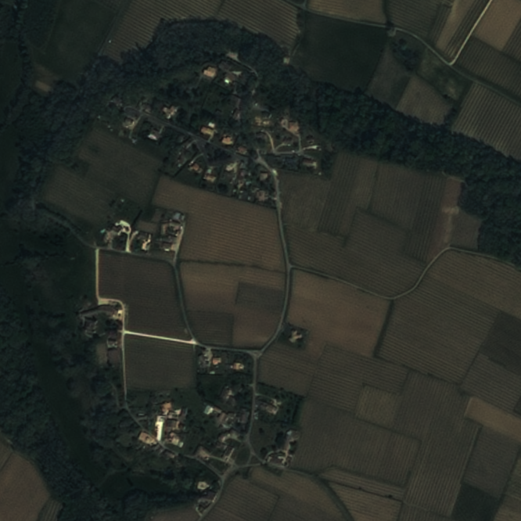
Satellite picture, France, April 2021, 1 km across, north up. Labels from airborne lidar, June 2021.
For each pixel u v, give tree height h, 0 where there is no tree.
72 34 0
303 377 0
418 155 18
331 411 0
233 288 0
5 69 0
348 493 0
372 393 0
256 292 0
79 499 19
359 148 19
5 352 17
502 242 21
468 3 0
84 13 0
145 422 6
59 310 0
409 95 0
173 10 0
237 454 0
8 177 0
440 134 18
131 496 14
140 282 0
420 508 0
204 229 0
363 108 22
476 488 0
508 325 0
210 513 0
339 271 0
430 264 0
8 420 18
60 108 19
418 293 0
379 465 0
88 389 0
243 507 0
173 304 0
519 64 0
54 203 0
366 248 0
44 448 21
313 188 0
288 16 0
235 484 0
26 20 14
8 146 0
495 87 0
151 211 0
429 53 0
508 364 0
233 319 0
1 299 18
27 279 8
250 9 0
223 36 11
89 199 0
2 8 9
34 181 18
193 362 0
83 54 0
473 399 0
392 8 0
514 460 0
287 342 0
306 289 0
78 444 0
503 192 17
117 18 0
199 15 0
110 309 0
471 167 18
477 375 0
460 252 0
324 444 0
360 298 0
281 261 0
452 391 0
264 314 0
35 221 15
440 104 0
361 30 0
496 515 0
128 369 0
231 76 0
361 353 0
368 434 0
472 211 16
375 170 0
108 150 0
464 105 0
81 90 19
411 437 0
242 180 9
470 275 0
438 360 0
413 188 0
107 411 15
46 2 17
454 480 0
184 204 0
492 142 0
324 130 17
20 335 24
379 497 0
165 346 0
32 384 18
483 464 0
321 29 0
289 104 7
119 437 8
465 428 0
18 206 18
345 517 0
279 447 7
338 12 0
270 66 22
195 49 19
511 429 0
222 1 0
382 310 0
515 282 0
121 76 27
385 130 19
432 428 0
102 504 22
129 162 0
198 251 0
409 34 0
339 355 0
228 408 0
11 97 0
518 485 0
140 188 0
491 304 0
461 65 0
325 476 0
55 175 0
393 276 0
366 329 0
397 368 0
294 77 22
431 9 0
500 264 0
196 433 6
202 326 0
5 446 0
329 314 0
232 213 0
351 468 0
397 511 0
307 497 0
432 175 0
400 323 0
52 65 0
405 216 0
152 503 12
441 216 0
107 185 0
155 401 10
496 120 0
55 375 0
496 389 0
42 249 0
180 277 0
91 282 0
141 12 0
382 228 0
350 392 0
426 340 0
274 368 0
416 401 0
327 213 0
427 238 0
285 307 0
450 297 0
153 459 10
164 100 10
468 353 0
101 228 0
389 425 0
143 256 0
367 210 0
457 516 0
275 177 0
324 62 0
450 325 0
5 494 0
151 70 26
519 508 0
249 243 0
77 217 0
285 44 0
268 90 6
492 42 0
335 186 0
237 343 0
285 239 0
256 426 0
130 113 0
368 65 0
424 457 0
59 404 0
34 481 0
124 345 0
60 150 23
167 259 0
